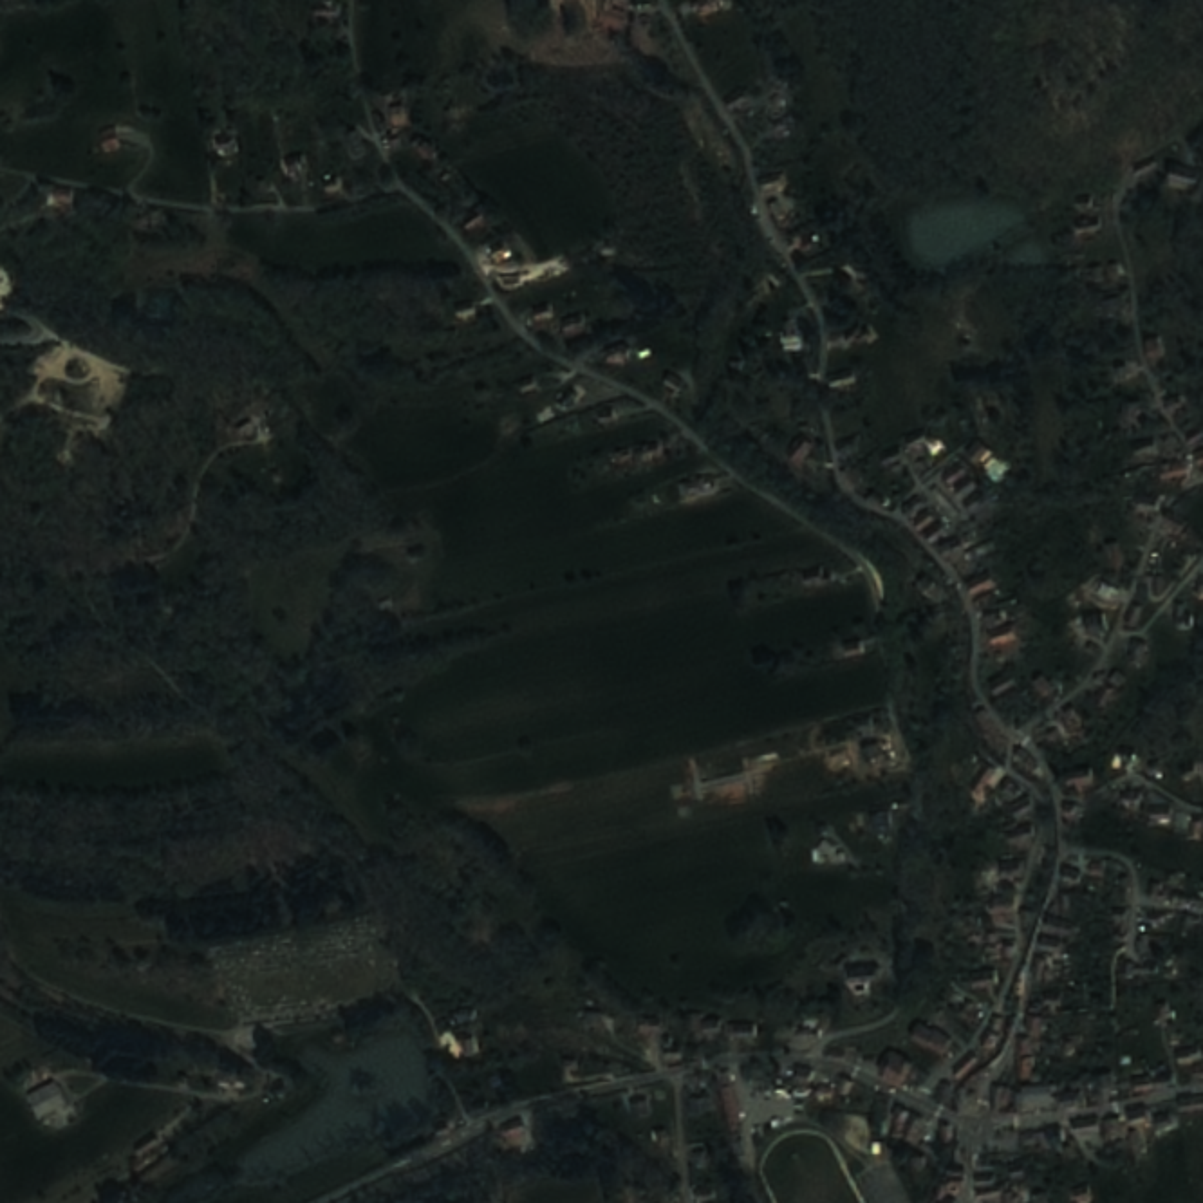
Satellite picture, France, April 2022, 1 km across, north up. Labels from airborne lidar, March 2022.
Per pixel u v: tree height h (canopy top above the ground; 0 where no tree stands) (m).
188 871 21
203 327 22
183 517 23
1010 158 25
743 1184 23
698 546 0
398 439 0
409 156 0
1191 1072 0
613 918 0
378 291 22
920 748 13
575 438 0
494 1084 0
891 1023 0
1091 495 11
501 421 0
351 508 22
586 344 11
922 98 25
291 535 18
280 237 0
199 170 0
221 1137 19
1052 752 8
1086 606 0
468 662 0
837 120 0
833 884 0
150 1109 0
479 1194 20
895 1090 0
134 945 0
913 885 23
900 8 24
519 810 0
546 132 0
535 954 18
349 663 23
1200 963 0
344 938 0
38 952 0
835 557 0
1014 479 8
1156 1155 0
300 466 0
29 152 0
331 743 17
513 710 0
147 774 0
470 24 0
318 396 0
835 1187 0
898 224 0
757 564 0
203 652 6
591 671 0
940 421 8
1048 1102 0
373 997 0
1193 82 27
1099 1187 0
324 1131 0
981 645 0
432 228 0
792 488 19
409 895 28
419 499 0
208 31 16
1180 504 12
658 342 0
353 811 0
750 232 15
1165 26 19
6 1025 0
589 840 0
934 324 0
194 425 24
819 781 0
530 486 0
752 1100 0
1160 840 0
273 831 22
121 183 0
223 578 14
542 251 0
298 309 22
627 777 0
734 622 0
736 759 0
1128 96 22
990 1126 0
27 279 24
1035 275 10
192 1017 0
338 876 16
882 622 10
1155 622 0
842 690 0
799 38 0
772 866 0
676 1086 0
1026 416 12
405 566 0
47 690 18
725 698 0
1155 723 19
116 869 20
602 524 0
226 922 25
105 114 0
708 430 19
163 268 0
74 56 0
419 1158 0
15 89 0
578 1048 0
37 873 28
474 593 0
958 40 22
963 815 9
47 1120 0
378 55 0
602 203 0
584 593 0
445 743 0
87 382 0
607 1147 20
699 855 0
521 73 10
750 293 17
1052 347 27
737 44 0
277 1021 0
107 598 10
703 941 0
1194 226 21
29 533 26
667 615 0
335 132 21
